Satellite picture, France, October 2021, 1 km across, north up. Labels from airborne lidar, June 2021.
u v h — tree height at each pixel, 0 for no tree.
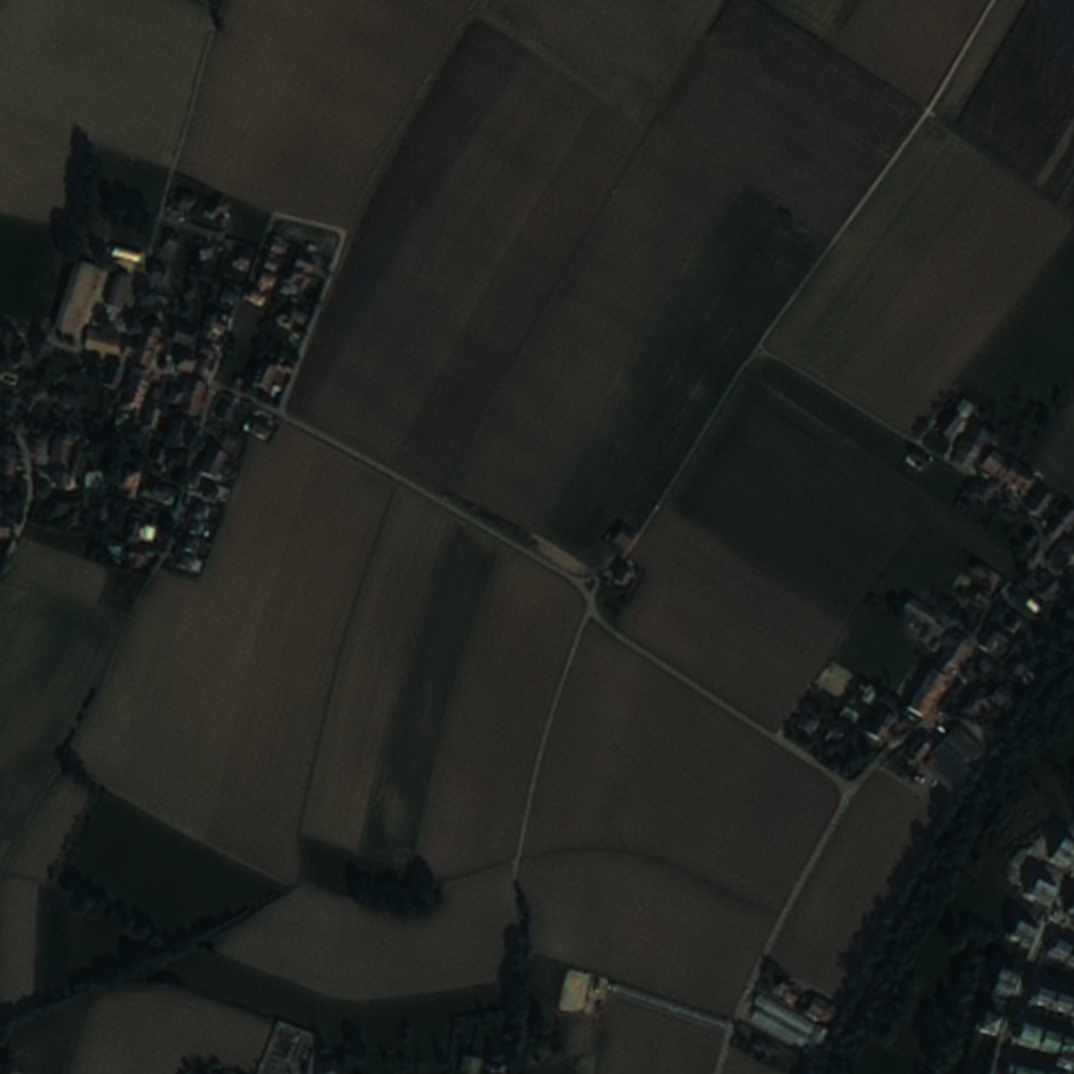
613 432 0
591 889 0
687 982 0
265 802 0
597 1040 0
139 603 0
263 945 0
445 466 0
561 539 0
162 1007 0
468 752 0
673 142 0
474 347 0
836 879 0
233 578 0
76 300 0
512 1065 16
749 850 0
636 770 0
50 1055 0
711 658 0
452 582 0
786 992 0
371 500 0
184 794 0
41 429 9
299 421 0
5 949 0
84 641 0
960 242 0
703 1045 0
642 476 0
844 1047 17
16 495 14
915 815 0
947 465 0
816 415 0
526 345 0
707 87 0
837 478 0
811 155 0
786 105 0
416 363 0
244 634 0
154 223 19
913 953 21
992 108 0
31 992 0
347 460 0
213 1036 0
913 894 14
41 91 0
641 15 0
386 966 0
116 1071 0
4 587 0
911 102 0
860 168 0
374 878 0
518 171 0
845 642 0
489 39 0
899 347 0
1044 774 0
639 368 0
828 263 0
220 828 0
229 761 0
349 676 0
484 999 0
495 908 0
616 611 0
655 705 0
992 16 0
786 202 0
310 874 0
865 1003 13
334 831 0
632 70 0
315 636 0
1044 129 0
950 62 0
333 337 0
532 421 0
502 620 0
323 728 0
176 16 0
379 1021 0
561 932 0
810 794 0
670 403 0
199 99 0
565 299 0
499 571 0
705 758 0
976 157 0
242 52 0
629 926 0
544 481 0
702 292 0
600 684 0
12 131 0
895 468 0
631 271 0
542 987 0
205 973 0
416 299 0
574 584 0
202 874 0
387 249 0
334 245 0
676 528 0
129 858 0
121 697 0
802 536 0
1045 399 0
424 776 0
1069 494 0
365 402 0
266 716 0
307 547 0
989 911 0
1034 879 0
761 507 0
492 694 0
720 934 0
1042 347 0
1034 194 0
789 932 0
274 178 0
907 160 0
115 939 0
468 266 0
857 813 0
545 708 0
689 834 0
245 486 0
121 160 0
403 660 0
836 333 0
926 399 0
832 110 0
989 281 0
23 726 0
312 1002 0
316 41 0
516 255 0
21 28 0
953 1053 32
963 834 16
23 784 0
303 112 0
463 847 0
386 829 0
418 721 0
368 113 0
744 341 0
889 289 0
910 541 0
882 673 0
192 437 21
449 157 0
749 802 0
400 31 0
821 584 0
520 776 0
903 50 0
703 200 0
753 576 0
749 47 0
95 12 0
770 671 0
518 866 0
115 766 0
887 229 0
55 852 0
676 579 0
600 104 0
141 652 0
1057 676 14
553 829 0
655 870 0
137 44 0
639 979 0
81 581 0
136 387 0
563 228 0
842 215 0
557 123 0
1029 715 19
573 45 0
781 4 0
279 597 0
